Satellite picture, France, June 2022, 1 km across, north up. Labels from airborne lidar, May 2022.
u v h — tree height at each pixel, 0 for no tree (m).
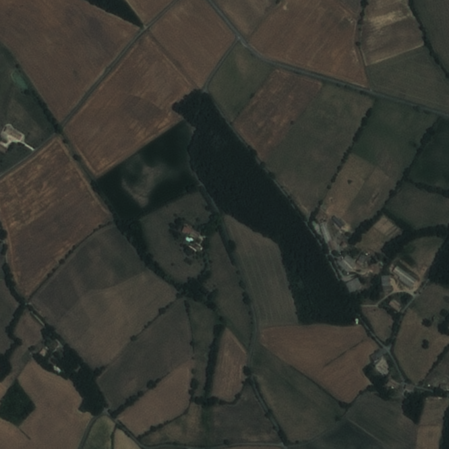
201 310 0
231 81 0
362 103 0
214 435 0
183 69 0
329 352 0
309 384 0
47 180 0
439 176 0
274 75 0
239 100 0
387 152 0
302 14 0
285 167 0
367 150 0
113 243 0
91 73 0
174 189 0
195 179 0
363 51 0
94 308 0
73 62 0
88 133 0
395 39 0
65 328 0
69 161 0
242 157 14
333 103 0
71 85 0
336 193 0
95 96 0
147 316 0
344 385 0
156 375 0
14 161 0
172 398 0
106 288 0
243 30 0
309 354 0
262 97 0
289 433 0
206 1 0
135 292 0
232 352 0
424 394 9
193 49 0
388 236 0
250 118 0
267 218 14
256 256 0
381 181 0
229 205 21
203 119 17
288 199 9
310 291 16
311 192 0
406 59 0
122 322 0
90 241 0
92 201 0
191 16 0
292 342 0
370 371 7
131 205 0
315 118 0
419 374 0
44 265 0
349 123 0
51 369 11
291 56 0
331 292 14
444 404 0
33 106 0
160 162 0
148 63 0
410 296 11
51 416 0
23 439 0
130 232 15
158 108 0
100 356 0
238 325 0
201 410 0
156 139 0
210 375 17
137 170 0
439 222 0
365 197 0
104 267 0
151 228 0
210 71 0
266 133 0
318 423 0
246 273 0
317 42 0
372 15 0
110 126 0
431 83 0
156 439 0
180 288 15
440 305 0
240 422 0
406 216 0
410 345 0
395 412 0
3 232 18
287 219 16
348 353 0
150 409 0
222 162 13
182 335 0
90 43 0
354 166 0
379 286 13
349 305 15
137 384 0
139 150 0
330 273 16
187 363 0
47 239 0
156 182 0
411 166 7
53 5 0
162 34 0
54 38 0
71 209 0
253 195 16
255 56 0
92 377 15
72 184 0
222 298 0
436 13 0
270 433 0
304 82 0
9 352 13
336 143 0
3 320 0
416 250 0
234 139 14
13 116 0
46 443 0
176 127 0
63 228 0
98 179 0
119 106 0
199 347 0
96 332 0
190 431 0
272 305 0
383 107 0
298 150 0
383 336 0
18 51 0
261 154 0
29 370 0
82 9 0
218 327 9
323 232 0
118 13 9
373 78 0
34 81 0
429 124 0
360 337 0
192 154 17
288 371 0
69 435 0
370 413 0
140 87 0
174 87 0
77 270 0
